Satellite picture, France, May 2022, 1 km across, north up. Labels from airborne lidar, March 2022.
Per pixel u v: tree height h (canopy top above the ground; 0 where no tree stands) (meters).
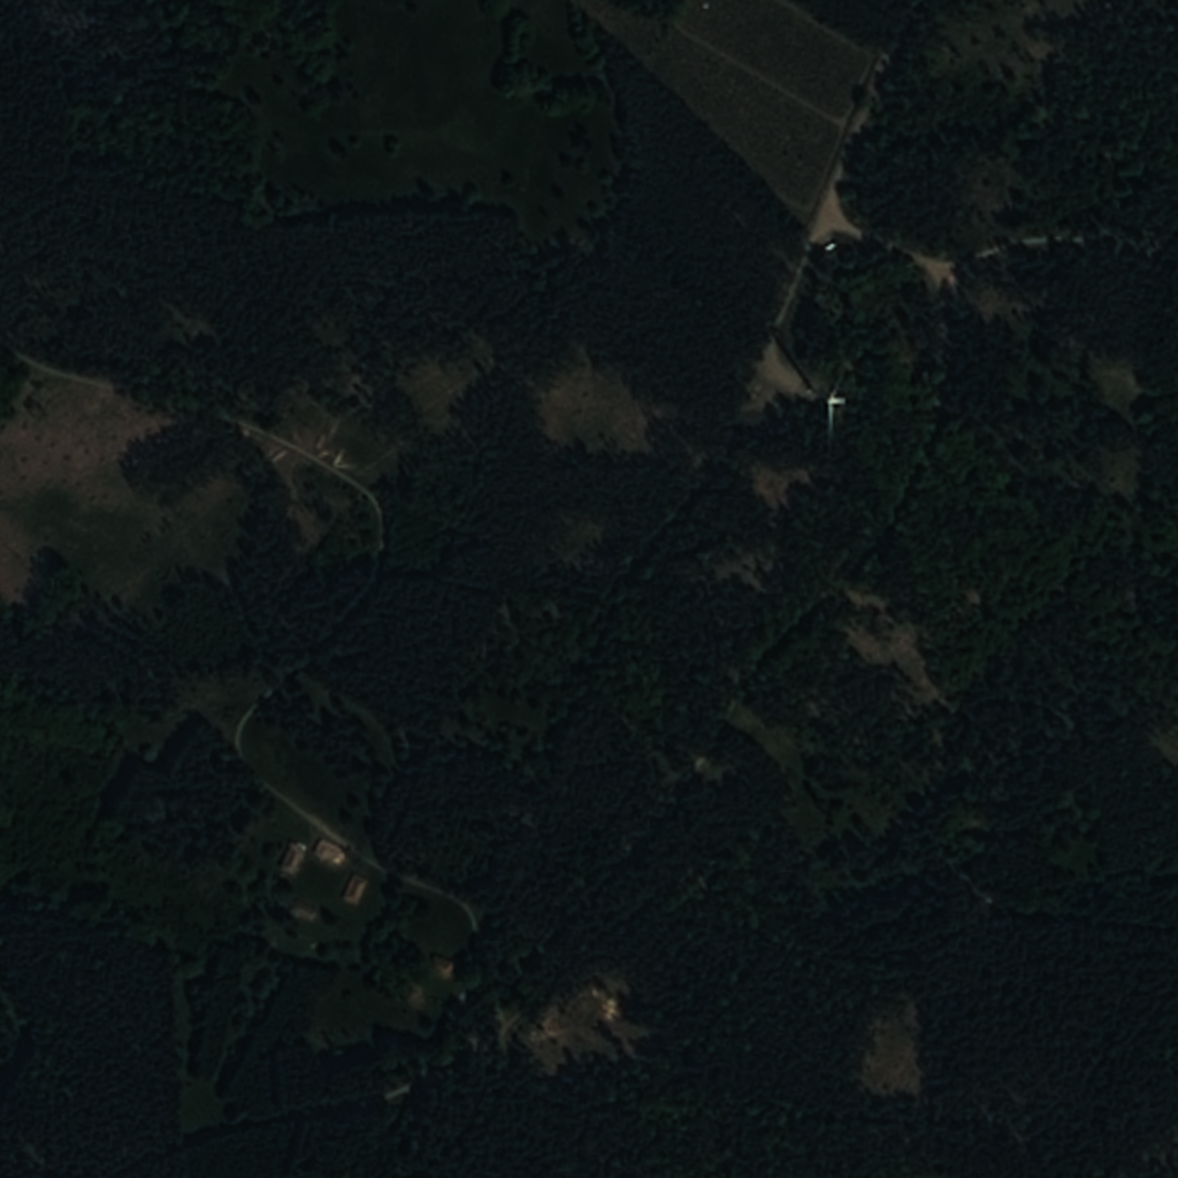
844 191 18
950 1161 22
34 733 22
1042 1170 26
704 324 29
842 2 27
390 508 8
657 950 26
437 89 0
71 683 25
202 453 26
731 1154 27
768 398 0
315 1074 29
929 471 27
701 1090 27
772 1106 27
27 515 0
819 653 27
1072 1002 28
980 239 0
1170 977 25
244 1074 15
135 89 28
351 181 0
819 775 26
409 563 10
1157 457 26
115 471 0
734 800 29
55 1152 19
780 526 28
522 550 26
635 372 28
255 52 9
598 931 21
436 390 0
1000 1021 25
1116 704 28
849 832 0
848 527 24
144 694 20
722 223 25
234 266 23
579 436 0
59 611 27
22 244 22
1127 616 30
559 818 26
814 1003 28
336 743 20
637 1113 26
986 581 23
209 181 18
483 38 0
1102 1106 25
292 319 22
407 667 24
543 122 0
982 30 0
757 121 0
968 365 31
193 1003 16
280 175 0
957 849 25
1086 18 29
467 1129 30
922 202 30
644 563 24
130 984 25
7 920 24
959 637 30
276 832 0
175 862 24
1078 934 24
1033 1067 24
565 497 27
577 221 0
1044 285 31
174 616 7
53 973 27
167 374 24
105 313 23
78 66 17
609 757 22
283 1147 14
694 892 24
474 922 0
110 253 21
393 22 0
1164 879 17
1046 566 25
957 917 32
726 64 0
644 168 21
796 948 24
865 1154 26
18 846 8
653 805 28
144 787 23
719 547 27
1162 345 24
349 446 0
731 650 29
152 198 22
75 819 8
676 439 26
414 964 31
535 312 23
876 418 26
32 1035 16
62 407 0
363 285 19
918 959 24
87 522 0
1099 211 10
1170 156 26
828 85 0
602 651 26
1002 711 28
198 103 20
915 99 20
